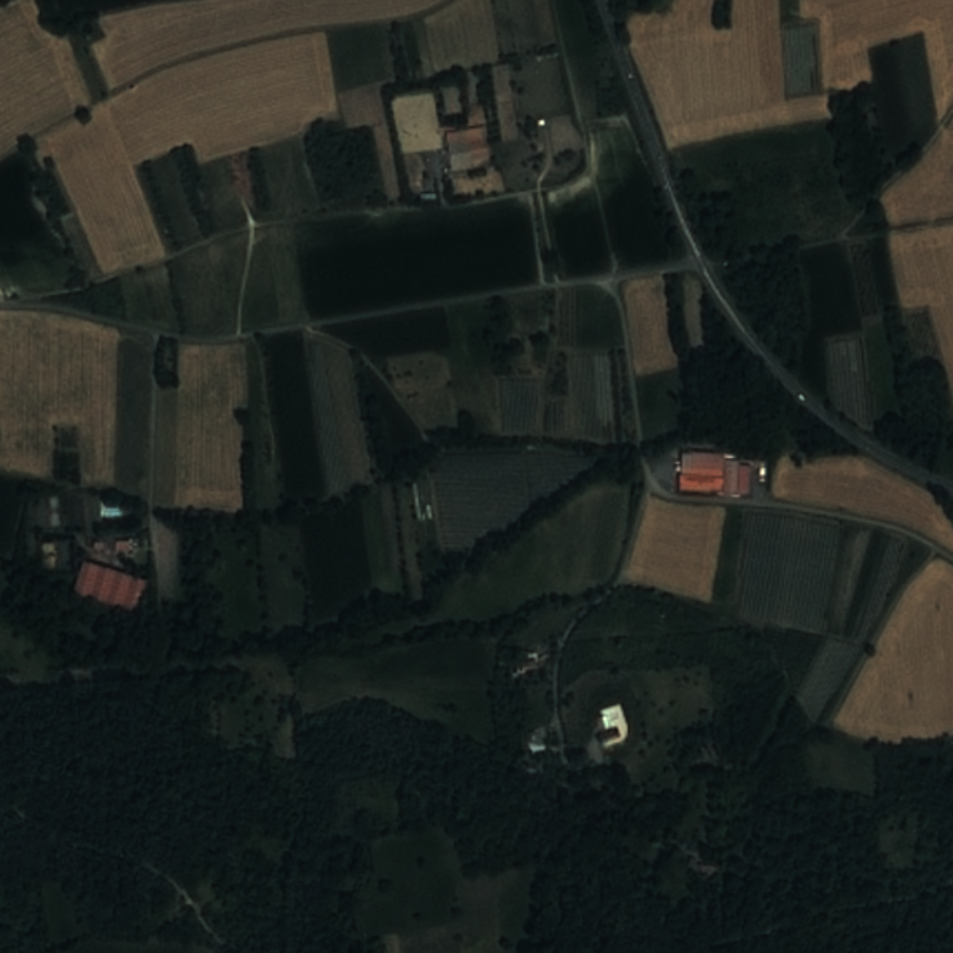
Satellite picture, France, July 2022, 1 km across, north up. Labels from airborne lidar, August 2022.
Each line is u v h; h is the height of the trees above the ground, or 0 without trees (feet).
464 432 25
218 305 0
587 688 0
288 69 0
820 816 59
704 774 52
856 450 27
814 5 0
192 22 0
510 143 0
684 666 17
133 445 0
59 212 21
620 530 0
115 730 65
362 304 0
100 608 23
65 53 0
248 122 0
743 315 26
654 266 0
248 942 44
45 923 32
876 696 0
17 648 0
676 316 47
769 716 56
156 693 38
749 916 44
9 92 0
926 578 0
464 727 0
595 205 0
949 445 64
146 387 0
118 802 43
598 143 0
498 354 28
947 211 0
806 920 43
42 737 72
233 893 28
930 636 0
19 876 41
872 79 0
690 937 49
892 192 0
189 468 0
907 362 45
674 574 0
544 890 82
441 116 22
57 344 0
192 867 47
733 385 96
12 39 0
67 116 0
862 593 0
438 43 0
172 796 38
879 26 0
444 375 0
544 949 79
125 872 48
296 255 0
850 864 52
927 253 0
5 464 0
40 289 0
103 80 0
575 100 0
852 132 29
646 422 0
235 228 0
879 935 39
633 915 51
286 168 0
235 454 0
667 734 0
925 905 37
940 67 0
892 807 29
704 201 47
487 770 62
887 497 0
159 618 104
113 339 0
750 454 26
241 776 57
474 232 0
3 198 0
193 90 0
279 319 0
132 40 0
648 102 0
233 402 0
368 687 0
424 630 18
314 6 0
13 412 0
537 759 29
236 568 0
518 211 0
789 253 30
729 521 0
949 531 0
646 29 0
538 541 0
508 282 0
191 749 59
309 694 0
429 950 0
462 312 0
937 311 0
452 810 38
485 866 45
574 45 0
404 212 0
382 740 36
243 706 0
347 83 0
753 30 0
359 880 29
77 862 36
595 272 0
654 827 43
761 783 25
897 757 49
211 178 0
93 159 0
